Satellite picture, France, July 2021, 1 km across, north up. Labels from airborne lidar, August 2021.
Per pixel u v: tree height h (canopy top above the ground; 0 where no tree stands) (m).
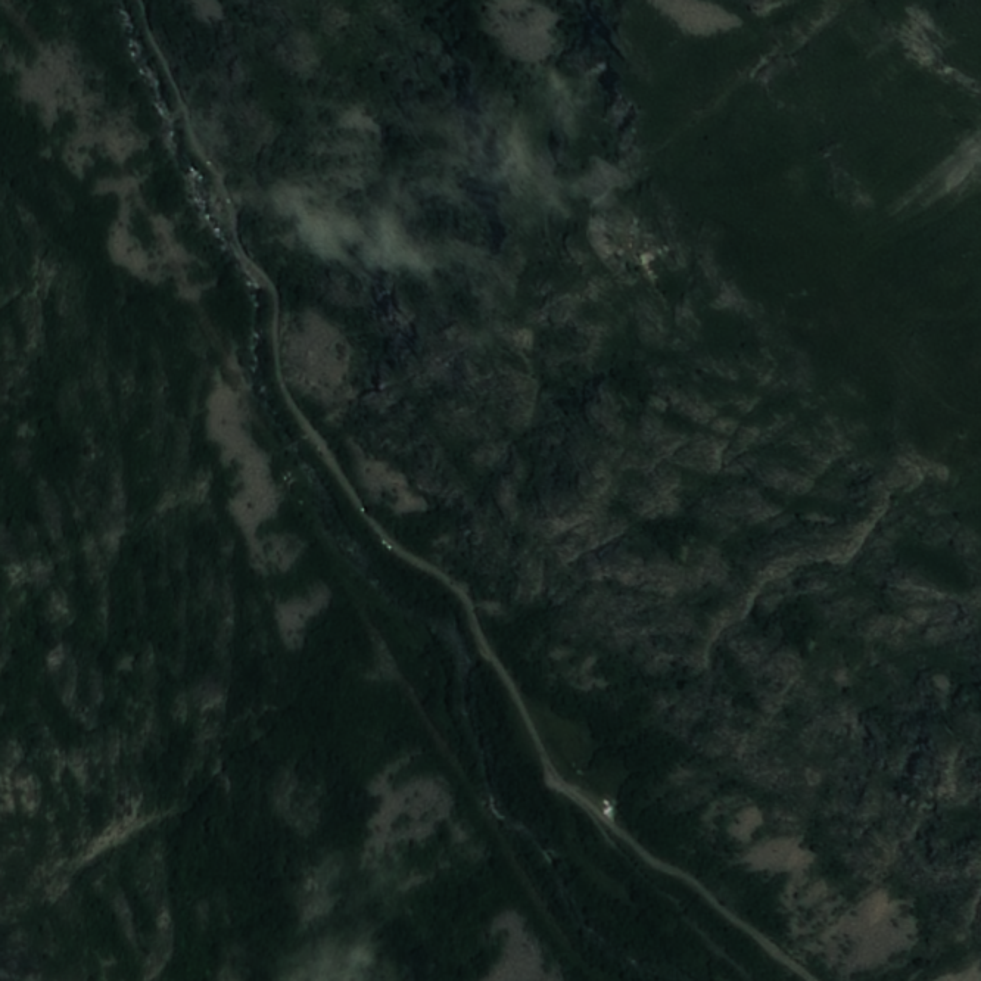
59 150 10
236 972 11
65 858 9
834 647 0
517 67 7
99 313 6
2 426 7
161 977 6
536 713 0
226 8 8
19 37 7
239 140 6
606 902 7
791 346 0
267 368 8
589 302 0
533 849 9
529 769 10
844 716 0
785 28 0
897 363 0
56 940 7
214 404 0
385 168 9
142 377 8
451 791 7
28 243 34
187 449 11
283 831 10
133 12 10
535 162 0
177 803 10
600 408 0
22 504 7
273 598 6
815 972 6
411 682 7
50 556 9
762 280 0
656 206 0
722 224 0
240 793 9
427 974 8
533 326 0
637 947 12
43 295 22
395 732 12
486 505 6
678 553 6
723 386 0
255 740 9
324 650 7
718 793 6
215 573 6
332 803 10
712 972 6
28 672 7
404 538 8
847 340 0
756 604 11
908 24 0
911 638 0
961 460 0
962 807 0
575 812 7
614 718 13
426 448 7
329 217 7
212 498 7
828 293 0
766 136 0
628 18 0
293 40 0
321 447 0
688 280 0
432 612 12
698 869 7
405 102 21
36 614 13
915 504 0
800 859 0
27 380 6
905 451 0
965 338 0
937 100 0
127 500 6
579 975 12
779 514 0
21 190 9
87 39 5
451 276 6
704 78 0
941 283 0
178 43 6
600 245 0
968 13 0
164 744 8
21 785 0
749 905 7
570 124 0
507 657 7
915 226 0
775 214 0
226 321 6
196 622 10
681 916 8
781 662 0
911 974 0
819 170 0
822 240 0
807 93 0
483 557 6
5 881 0
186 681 10
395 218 10
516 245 0
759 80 0
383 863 14
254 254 6
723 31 0
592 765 7
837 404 0
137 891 6
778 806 0
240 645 8
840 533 0
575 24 8
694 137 0
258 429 7
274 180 8
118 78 6
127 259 0
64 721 7
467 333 0
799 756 0
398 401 7
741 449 7
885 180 0
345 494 6
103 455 8
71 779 6
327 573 9
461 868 6
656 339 0
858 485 7
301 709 12
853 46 0
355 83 10
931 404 0
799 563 7
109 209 11
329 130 6
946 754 0
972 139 0
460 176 9
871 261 0
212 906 6
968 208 0
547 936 8
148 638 10
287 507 8
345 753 10
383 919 8
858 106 0
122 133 0
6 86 8
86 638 7
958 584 0
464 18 14
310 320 0
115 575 10
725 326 0
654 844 7
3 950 0
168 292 7
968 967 0
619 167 0
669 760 8
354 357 0
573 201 0
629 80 0
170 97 7
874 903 0
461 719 10
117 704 7
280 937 14
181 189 10
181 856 14
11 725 10
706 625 0
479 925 8
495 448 0
